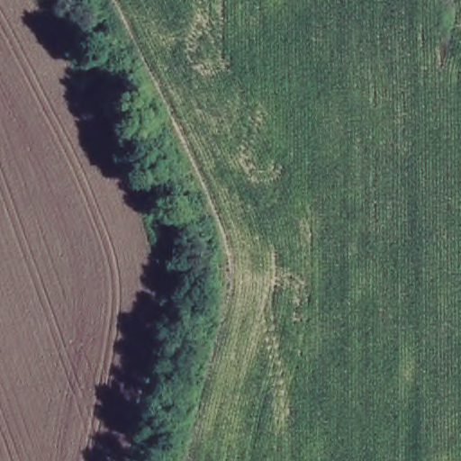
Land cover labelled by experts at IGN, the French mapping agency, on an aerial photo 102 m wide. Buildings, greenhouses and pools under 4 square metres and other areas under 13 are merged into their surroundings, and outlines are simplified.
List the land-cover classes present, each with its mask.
<instances>
[{"label":"agricultural land","instance_id":"1","mask_svg":"<svg viewBox=\"0 0 461 461\"><path fill-rule=\"evenodd\" d=\"M50 14L38 5L36 0H0V461H128V448L133 445L135 434L140 432L142 412L149 405L144 385L148 382V371L157 366L153 348L157 342V322L160 321L158 312L162 310V306L158 304L155 295V292L162 290L158 283L160 267L153 265L148 259L149 243L140 218V212H149V209L135 198L139 191L131 187L130 173L113 162V146L119 140L115 139L112 142L103 139L104 121L95 113V103L81 88V72L70 70L65 59H59L63 56V43L59 40L58 31L47 23ZM113 4L117 5V18L126 27L130 40L139 50L140 59L151 79L153 85L160 88V95L169 106L171 126L182 153L189 157L194 169L193 175L200 180V191L207 203V211L216 223L221 252L227 258V265H223V283L220 326L212 348L209 369L203 380L191 438L187 461H461V0H112Z\"/></svg>","mask_w":461,"mask_h":461},{"label":"deciduous trees","instance_id":"2","mask_svg":"<svg viewBox=\"0 0 461 461\"><path fill-rule=\"evenodd\" d=\"M38 5L50 14L47 23L58 31L59 40L63 43V56L59 59H65L70 70L81 72L103 67L110 52H115L112 41L115 36L106 32V23L99 20L101 4L97 0H36ZM95 113L104 121L103 139L112 142L115 139L119 140L113 146V162L130 173L131 187L139 191L135 198L149 209V212L153 214V220H160L167 225L164 232L158 234V240L175 250L173 258L167 261V270H178L182 277L175 294L164 295L162 306V310L158 312L160 321L157 322V342L153 348L157 366L148 371V382L144 385L149 405L142 412L140 432L135 434L133 445L128 448V461H162V457L166 456V450L173 447L176 441H187L191 438L203 380L209 369L212 348L220 326L223 283H214L216 270L211 268L212 256H205L202 245L196 241L193 232L185 229L187 198H175L173 194V182L169 180L171 171L160 148V121L171 126L169 106L160 95V88L153 85L151 79L133 94L124 92L122 97H117L115 101L95 103Z\"/></svg>","mask_w":461,"mask_h":461},{"label":"herbaceous vegetation","instance_id":"3","mask_svg":"<svg viewBox=\"0 0 461 461\"><path fill-rule=\"evenodd\" d=\"M101 4L99 20L106 23V32L115 36L112 41L115 52H110L103 67L81 72V88L95 103L115 101L117 97H122L124 92L133 94L151 79L140 59L139 50L130 40L126 27L117 18V5L113 4L112 0H97ZM160 148L171 171L169 180L173 182V194L175 198H187L185 229L193 232L196 241L202 245L205 256H212L211 268L216 270L214 283H223V265H227V258L221 252L216 223L207 211V203L200 191V180L193 175L194 169L189 157L182 153L171 126L160 121ZM140 218L149 243L148 259L153 265L160 267L158 283L162 290L155 292V295L158 304L162 306L164 295L175 294L182 277L178 270H167V261L173 258L175 250L158 240V234L164 232L167 225L160 220H153V214L149 212H140ZM191 438L187 441H176L173 447L166 450V456L162 457V461H187Z\"/></svg>","mask_w":461,"mask_h":461}]
</instances>
